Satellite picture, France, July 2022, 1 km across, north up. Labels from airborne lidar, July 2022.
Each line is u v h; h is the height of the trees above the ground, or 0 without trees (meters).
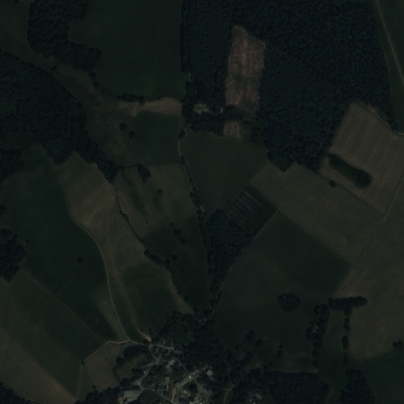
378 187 0
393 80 0
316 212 0
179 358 9
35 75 26
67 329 0
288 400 27
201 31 22
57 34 17
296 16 28
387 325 0
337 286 0
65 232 0
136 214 0
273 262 0
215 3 19
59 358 0
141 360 0
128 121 0
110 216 0
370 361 0
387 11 0
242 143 0
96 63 20
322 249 0
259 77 0
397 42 0
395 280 0
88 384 0
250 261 0
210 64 23
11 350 0
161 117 0
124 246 0
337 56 26
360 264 0
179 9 0
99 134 0
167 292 0
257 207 0
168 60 0
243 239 20
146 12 0
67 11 19
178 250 0
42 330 0
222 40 24
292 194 0
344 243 0
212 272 17
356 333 0
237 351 12
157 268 0
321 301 0
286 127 33
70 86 0
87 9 14
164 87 0
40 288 0
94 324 0
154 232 0
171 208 0
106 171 25
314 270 0
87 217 0
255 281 0
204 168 0
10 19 0
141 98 9
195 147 0
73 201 0
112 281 0
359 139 0
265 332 0
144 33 0
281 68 23
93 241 0
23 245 0
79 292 0
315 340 14
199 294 0
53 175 0
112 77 0
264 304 0
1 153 26
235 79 0
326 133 8
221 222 21
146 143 0
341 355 0
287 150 11
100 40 0
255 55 0
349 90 24
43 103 26
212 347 18
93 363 0
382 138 0
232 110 15
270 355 0
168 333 22
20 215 0
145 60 0
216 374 9
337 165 8
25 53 0
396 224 0
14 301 0
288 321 0
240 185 0
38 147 0
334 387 0
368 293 0
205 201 0
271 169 0
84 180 0
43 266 0
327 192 0
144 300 0
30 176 0
